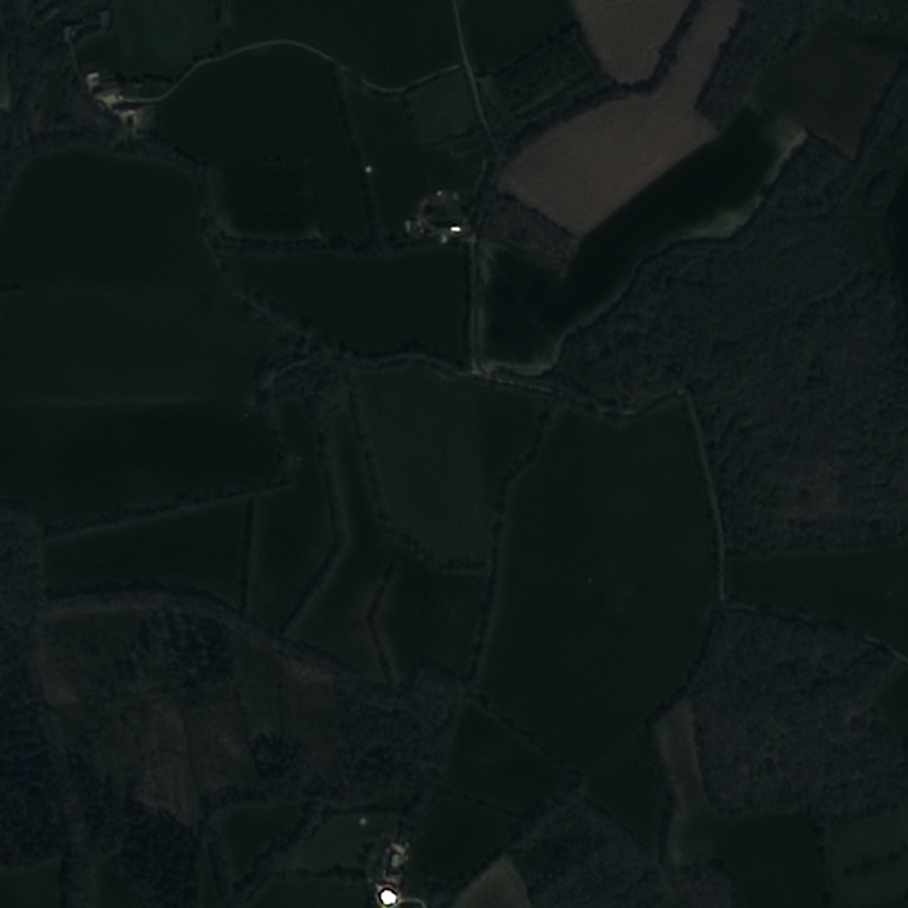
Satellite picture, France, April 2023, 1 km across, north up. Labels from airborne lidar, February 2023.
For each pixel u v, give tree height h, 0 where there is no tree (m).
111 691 11
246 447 0
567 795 13
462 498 0
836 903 8
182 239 0
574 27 7
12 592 13
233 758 0
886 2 13
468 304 12
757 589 0
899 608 0
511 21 0
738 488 10
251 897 7
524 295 0
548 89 0
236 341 0
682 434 0
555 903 12
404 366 7
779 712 18
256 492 11
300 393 11
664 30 0
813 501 7
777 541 14
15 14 14
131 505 0
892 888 0
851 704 18
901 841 0
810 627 8
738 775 16
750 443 11
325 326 0
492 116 6
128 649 0
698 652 0
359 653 0
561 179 0
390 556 0
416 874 0
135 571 0
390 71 0
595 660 0
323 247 8
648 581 0
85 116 8
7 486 0
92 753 17
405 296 0
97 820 28
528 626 0
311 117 0
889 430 10
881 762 16
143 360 0
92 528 10
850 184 11
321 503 0
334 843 0
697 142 0
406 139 0
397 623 0
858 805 9
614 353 16
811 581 0
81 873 27
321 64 0
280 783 17
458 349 0
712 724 20
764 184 0
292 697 0
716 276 11
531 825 18
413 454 0
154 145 17
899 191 0
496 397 0
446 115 0
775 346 11
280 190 0
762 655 16
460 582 0
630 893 18
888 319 12
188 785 0
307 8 0
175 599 17
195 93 0
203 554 0
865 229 0
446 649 0
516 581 0
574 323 0
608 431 0
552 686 0
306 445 0
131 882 19
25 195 0
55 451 0
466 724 0
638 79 0
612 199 0
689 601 0
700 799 0
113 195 0
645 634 0
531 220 9
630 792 0
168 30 0
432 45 0
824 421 7
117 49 0
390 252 14
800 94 0
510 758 0
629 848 18
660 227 0
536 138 15
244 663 0
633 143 0
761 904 0
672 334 10
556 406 13
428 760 16
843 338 11
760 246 10
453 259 0
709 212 0
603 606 0
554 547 0
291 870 7
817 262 10
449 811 0
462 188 0
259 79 0
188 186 0
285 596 0
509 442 0
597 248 0
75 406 0
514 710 0
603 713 0
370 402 0
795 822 0
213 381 0
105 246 0
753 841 0
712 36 0
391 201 0
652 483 0
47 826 25
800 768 17
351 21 0
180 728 0
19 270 0
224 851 10
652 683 0
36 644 23
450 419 0
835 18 0
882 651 10
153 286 0
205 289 0
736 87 16
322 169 0
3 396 0
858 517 7
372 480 11
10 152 18
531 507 0
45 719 16
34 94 10
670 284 8
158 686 0
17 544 10
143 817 20
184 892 25
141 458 0
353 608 0
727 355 11
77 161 0
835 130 0
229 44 0
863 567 0
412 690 16
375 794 8
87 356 0
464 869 0
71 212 0
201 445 0
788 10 18
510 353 0
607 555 0
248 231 0
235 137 0
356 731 17
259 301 12
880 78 0
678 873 12
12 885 0
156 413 0
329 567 10
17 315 0
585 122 0
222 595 0
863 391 10
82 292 0
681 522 0
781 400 10
